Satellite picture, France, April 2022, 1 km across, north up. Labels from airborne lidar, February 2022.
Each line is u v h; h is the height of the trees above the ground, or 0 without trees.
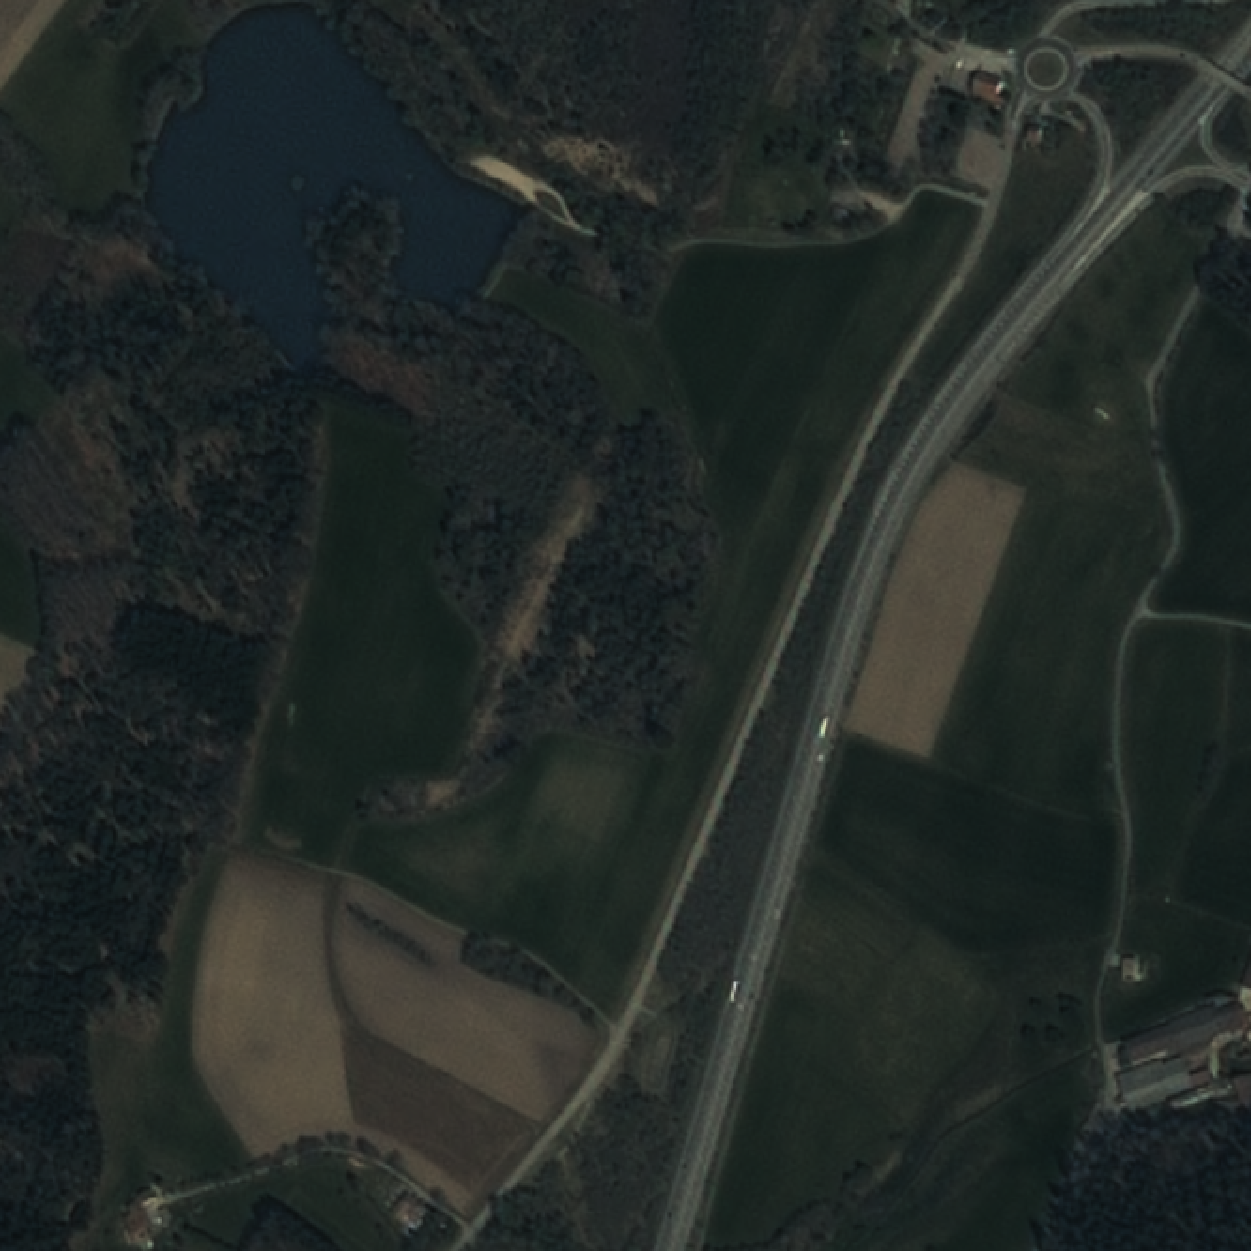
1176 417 0
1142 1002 0
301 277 0
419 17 0
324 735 0
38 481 33
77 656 22
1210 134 0
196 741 23
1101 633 0
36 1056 8
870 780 0
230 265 0
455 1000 0
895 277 0
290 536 26
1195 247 0
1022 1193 0
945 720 0
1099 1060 0
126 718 28
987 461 0
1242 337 0
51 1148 23
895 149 0
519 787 0
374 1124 0
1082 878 0
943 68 0
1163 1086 0
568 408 17
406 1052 0
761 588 0
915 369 0
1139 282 0
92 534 23
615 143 0
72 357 15
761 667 0
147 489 21
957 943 0
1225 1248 18
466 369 18
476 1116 0
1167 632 0
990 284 0
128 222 24
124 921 15
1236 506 0
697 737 0
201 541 30
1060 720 0
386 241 16
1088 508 0
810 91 14
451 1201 15
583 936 0
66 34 0
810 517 0
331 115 0
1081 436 0
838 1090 0
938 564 0
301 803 0
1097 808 0
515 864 0
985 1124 0
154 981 20
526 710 10
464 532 16
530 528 19
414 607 0
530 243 25
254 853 0
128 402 0
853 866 0
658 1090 0
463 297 12
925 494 0
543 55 11
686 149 9
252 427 25
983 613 0
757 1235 0
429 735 0
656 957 0
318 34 0
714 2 13
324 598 0
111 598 27
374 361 8
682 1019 9
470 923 0
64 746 22
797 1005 0
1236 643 0
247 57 0
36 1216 26
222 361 6
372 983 0
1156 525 0
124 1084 0
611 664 14
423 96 24
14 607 0
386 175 0
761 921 0
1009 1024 0
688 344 0
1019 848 0
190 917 0
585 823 0
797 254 0
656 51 0
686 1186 0
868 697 0
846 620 0
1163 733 0
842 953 0
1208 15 9
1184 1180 15
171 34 0
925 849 0
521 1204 16
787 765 0
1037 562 0
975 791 0
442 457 10
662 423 18
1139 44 0
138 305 7
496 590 15
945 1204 0
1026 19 11
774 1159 0
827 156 18
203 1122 0
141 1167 0
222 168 0
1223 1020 0
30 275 0
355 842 0
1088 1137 0
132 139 0
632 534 19
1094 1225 25
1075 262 0
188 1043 0
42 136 0
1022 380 0
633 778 0
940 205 0
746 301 0
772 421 0
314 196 0
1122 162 0
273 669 26
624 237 24
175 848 24
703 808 0
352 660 0
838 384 0
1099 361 0
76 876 18
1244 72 0
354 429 0
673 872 0
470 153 21
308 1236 26
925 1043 0
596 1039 0
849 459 0
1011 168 0
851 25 8
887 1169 0
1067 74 0
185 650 27
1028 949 0
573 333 0
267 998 0
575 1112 0
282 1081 0
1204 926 0
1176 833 0
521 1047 0
